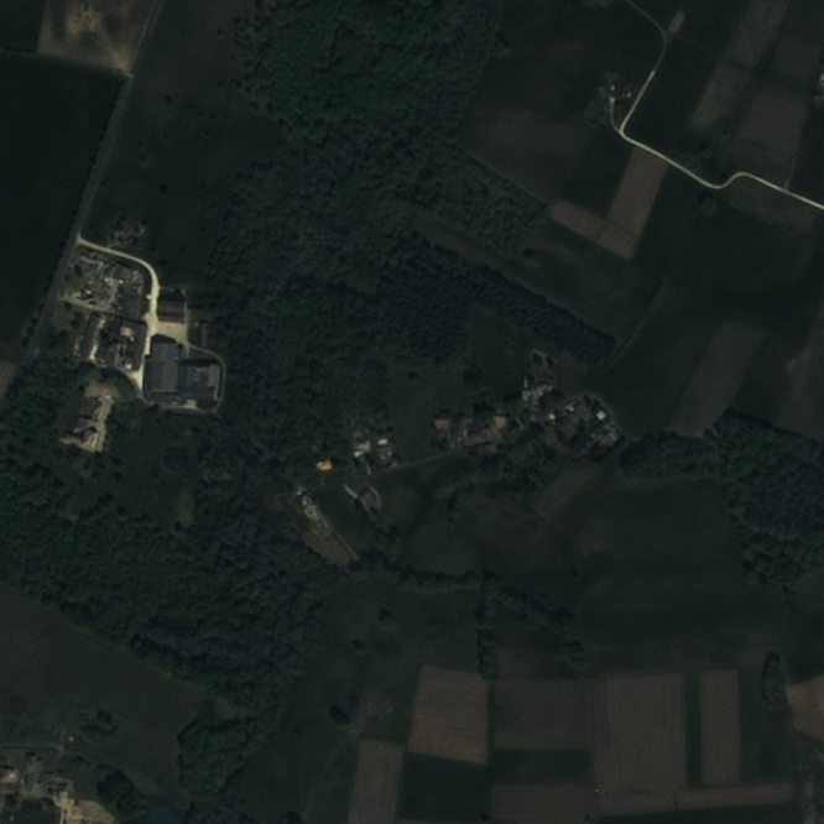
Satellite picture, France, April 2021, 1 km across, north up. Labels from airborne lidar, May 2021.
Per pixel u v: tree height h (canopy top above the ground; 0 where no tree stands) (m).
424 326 19
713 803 0
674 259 0
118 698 0
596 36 0
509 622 0
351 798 0
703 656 0
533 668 0
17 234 0
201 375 0
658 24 0
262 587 16
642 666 0
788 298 0
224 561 14
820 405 0
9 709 0
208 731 13
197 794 20
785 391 0
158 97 0
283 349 22
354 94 19
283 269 21
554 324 19
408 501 0
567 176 0
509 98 0
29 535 14
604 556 0
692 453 17
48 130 0
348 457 13
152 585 15
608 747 0
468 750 0
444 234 0
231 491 18
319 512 0
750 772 0
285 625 22
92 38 0
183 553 9
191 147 0
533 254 9
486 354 0
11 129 0
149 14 0
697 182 0
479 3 23
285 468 18
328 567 19
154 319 0
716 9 0
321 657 0
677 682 0
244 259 13
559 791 0
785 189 0
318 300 21
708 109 0
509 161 0
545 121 0
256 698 19
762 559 14
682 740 0
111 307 0
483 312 0
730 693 0
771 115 0
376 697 0
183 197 0
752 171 0
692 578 0
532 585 0
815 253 0
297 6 12
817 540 22
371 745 0
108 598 25
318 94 17
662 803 0
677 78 0
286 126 13
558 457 9
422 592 13
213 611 10
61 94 0
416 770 0
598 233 0
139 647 18
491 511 0
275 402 22
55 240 0
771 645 0
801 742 0
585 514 0
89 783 0
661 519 0
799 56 0
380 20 23
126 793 17
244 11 0
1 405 0
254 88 11
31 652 0
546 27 0
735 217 0
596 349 18
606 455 11
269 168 12
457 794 0
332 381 16
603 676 0
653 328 0
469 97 15
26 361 0
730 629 0
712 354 0
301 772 0
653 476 16
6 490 16
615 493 0
